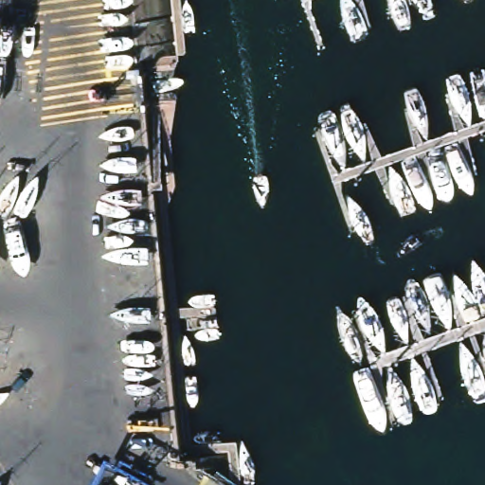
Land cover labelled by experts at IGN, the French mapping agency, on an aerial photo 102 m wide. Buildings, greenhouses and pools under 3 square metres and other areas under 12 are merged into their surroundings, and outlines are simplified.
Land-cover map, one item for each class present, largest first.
<instances>
[{"label":"water","instance_id":"1","mask_svg":"<svg viewBox=\"0 0 485 485\"><path fill-rule=\"evenodd\" d=\"M174 51L182 55L174 68V76L184 83L182 87L174 89L176 108L172 133L161 135V191H155L153 199L165 294V320L169 332L176 432L180 449V455L176 458H180V462H195V466L203 468L207 474L222 485H485V0H172Z\"/></svg>","mask_w":485,"mask_h":485},{"label":"impervious surface","instance_id":"2","mask_svg":"<svg viewBox=\"0 0 485 485\"><path fill-rule=\"evenodd\" d=\"M172 0H0V485H199V481L207 474L203 468L195 466V462H180V458H176L180 455V449L176 432L169 332L165 320V294L153 199L155 191H161V135L172 133L176 108L174 89L182 87L184 83L174 76V68L182 55L174 51Z\"/></svg>","mask_w":485,"mask_h":485},{"label":"building","instance_id":"3","mask_svg":"<svg viewBox=\"0 0 485 485\"><path fill-rule=\"evenodd\" d=\"M199 485H222L207 474L199 481Z\"/></svg>","mask_w":485,"mask_h":485}]
</instances>
